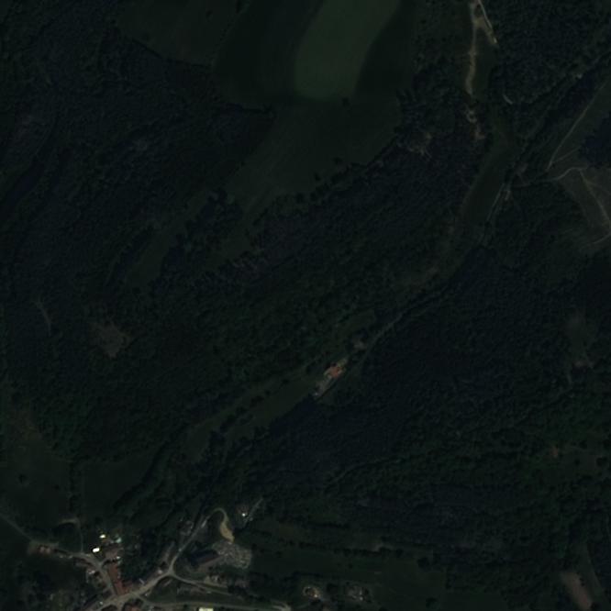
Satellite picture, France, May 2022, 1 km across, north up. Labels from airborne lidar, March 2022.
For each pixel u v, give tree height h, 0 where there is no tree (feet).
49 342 37
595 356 55
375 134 0
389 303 102
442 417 83
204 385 27
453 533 96
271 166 0
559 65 103
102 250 24
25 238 72
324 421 94
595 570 30
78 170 89
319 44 0
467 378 87
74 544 0
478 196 0
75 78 77
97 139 79
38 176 89
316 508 0
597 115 0
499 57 46
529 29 84
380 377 45
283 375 49
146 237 61
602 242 0
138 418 37
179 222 0
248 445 57
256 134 42
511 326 68
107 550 0
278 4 0
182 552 0
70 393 54
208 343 73
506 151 0
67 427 37
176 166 24
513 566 59
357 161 0
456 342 46
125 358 40
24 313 71
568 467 0
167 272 65
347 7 0
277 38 0
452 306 38
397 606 0
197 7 0
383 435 45
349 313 63
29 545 0
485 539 83
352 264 54
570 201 25
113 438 39
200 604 0
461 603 0
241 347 80
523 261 33
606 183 0
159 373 35
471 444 53
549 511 71
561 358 107
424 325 48
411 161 95
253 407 36
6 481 0
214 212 78
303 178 0
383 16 0
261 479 70
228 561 0
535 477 61
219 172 21
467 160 120
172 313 39
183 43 0
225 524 0
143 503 21
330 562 0
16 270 59
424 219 84
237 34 0
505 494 84
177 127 101
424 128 92
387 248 69
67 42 89
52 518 0
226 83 0
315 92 0
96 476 0
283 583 56
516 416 53
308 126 0
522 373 23
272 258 87
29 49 89
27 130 92
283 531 0
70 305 66
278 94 0
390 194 85
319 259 76
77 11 88
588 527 78
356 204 94
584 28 58
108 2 82
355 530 51
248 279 95
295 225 85
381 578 0
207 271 0
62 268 70
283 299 88
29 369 58
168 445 43
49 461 0
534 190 45
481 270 93
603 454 0
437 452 51
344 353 0
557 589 18
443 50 0
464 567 74
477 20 0
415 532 84
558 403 33
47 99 99
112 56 79
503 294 50
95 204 60
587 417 73
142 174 39
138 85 69
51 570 0
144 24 0
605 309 35
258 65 0
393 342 41
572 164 0
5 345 66
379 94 0
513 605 49
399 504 85
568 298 87
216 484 78
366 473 57
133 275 0
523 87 66
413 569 0
